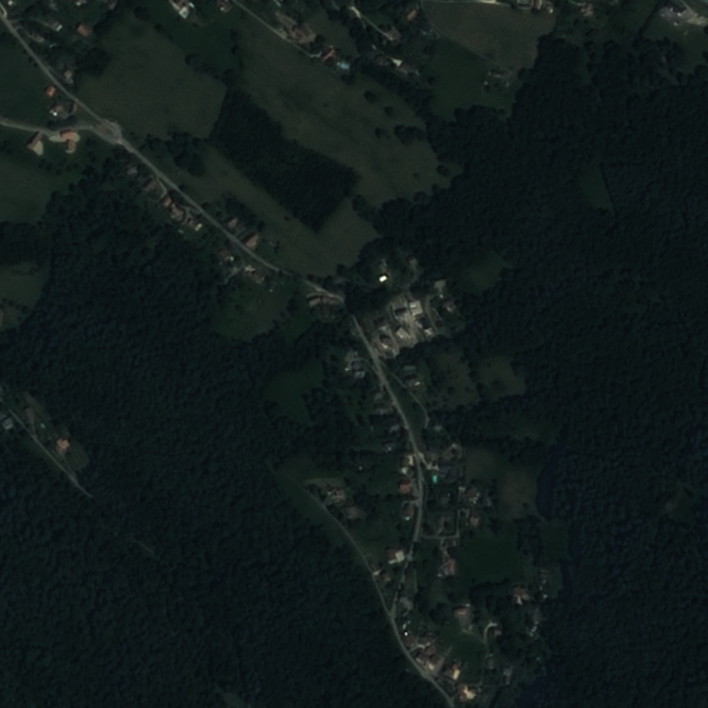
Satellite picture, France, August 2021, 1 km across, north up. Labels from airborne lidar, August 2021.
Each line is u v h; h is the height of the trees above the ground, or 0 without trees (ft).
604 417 95
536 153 89
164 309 101
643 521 70
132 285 115
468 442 63
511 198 109
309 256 0
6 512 133
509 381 0
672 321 24
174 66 0
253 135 17
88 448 33
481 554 0
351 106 0
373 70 57
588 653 104
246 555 112
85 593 108
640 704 67
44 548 87
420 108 62
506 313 82
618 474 106
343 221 0
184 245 62
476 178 77
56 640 79
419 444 0
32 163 0
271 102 0
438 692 36
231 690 90
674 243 75
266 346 101
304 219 37
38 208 0
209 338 65
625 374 65
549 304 88
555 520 131
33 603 98
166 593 28
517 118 61
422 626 0
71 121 42
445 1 0
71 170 33
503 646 65
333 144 0
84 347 80
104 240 97
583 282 94
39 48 21
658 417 85
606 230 76
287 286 0
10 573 84
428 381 0
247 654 112
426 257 49
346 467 23
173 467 94
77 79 24
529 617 24
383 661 111
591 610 81
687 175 75
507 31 0
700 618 84
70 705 73
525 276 82
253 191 0
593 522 121
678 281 75
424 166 0
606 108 71
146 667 81
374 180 0
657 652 92
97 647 106
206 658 36
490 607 39
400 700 98
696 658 84
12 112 0
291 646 98
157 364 102
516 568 0
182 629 32
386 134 52
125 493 96
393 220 77
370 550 0
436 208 76
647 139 71
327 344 81
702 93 73
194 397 93
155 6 0
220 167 0
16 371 61
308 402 63
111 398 79
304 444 65
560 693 85
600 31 27
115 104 0
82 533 82
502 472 0
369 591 29
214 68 27
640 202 50
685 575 75
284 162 26
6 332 42
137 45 0
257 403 62
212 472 102
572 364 60
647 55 71
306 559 115
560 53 78
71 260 103
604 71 74
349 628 101
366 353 28
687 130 81
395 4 28
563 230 91
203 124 0
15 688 70
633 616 77
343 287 41
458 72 0
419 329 0
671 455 91
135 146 0
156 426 94
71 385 57
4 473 74
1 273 0
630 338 83
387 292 70
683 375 87
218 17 0
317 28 0
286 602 73
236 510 101
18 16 30
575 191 88
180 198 53
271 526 103
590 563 134
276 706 84
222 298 34
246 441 70
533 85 64
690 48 0
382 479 0
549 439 0
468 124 66
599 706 95
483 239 110
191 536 100
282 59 0
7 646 72
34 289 0
